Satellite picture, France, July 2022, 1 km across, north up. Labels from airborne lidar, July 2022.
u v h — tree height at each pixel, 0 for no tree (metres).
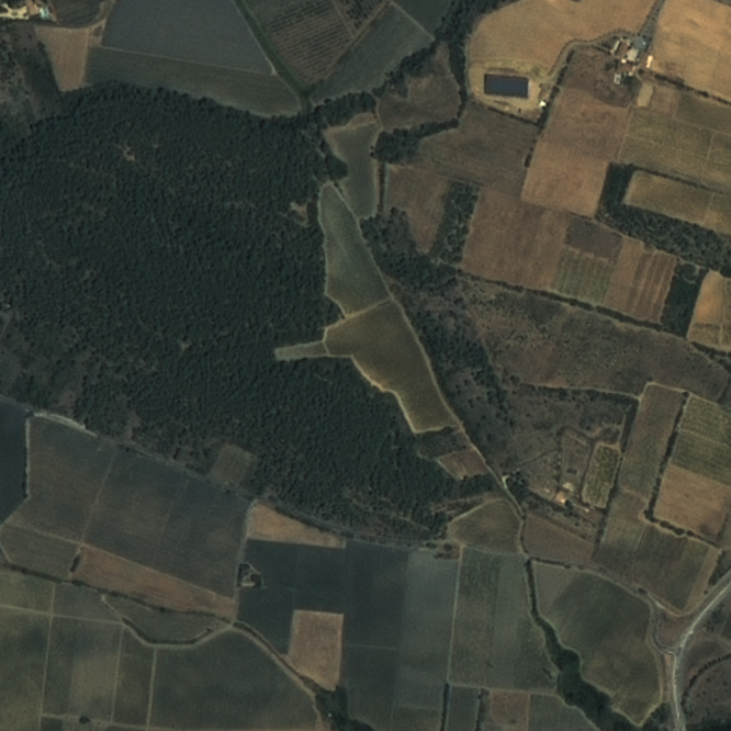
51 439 0
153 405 15
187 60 0
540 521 0
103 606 0
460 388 8
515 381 11
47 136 14
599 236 0
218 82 0
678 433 6
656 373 0
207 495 0
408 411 0
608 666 0
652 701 0
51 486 0
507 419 8
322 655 0
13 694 0
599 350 0
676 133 0
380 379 0
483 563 0
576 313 0
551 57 0
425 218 0
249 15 6
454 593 0
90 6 0
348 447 13
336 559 0
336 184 7
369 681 0
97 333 7
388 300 0
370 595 0
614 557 0
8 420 0
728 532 0
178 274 13
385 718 0
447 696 9
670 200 0
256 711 0
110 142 8
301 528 0
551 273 0
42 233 8
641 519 0
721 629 0
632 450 0
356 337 0
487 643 0
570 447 0
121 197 12
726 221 0
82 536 0
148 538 0
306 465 11
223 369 9
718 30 0
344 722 13
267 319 10
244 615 0
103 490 0
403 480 16
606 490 0
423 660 0
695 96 0
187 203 12
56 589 0
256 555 0
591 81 0
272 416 12
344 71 0
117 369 8
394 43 0
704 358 0
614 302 0
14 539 0
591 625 0
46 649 0
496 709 0
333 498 11
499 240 0
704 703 0
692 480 0
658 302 0
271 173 12
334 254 0
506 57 0
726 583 0
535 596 6
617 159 0
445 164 0
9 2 8
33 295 13
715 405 0
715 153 0
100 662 0
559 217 0
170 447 8
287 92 0
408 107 0
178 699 0
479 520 0
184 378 12
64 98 6
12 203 12
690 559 0
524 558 0
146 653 0
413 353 0
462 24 9
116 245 10
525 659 0
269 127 16
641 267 0
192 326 13
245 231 9
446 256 8
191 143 10
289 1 0
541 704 0
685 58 0
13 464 0
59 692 0
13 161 13
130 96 12
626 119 0
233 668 0
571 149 0
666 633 0
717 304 0
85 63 0
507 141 0
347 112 8
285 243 11
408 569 0
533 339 0
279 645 0
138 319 13
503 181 0
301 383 11
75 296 6
